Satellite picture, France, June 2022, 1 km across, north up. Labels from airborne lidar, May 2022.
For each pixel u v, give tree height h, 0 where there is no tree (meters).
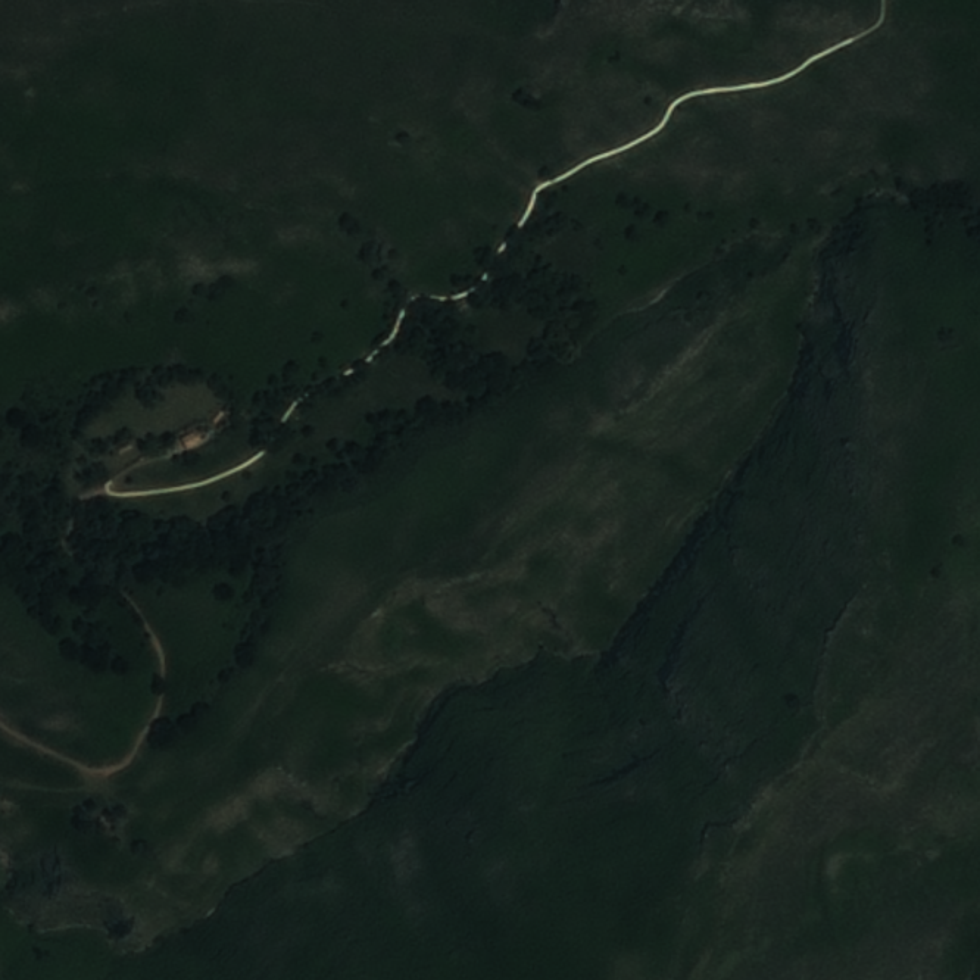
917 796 0
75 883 0
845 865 0
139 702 0
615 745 0
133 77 0
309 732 0
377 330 0
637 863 0
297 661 0
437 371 12
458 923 0
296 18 0
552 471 0
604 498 0
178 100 0
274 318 0
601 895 0
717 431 0
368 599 0
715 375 0
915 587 0
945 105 0
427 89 0
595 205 0
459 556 0
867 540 0
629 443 0
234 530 23
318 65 0
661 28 0
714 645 0
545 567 0
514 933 0
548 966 0
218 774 0
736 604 0
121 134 0
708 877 0
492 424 0
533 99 16
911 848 0
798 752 0
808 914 0
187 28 0
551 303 20
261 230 0
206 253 0
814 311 0
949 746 0
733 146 0
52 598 17
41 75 0
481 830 0
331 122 0
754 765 0
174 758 0
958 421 0
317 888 0
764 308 0
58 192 0
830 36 0
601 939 0
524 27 0
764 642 0
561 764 0
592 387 0
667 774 0
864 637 0
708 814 0
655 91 0
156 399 16
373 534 0
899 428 0
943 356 0
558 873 0
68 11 0
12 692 0
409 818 0
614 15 0
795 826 0
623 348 0
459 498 0
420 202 0
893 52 0
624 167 0
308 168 0
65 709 0
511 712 0
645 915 0
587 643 0
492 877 0
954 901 0
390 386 0
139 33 0
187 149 0
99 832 16
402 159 0
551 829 0
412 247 0
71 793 0
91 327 0
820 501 0
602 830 0
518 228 11
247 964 0
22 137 0
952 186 8
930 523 0
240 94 0
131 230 0
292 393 20
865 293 0
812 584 0
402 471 0
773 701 0
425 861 0
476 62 0
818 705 0
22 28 0
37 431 23
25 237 0
